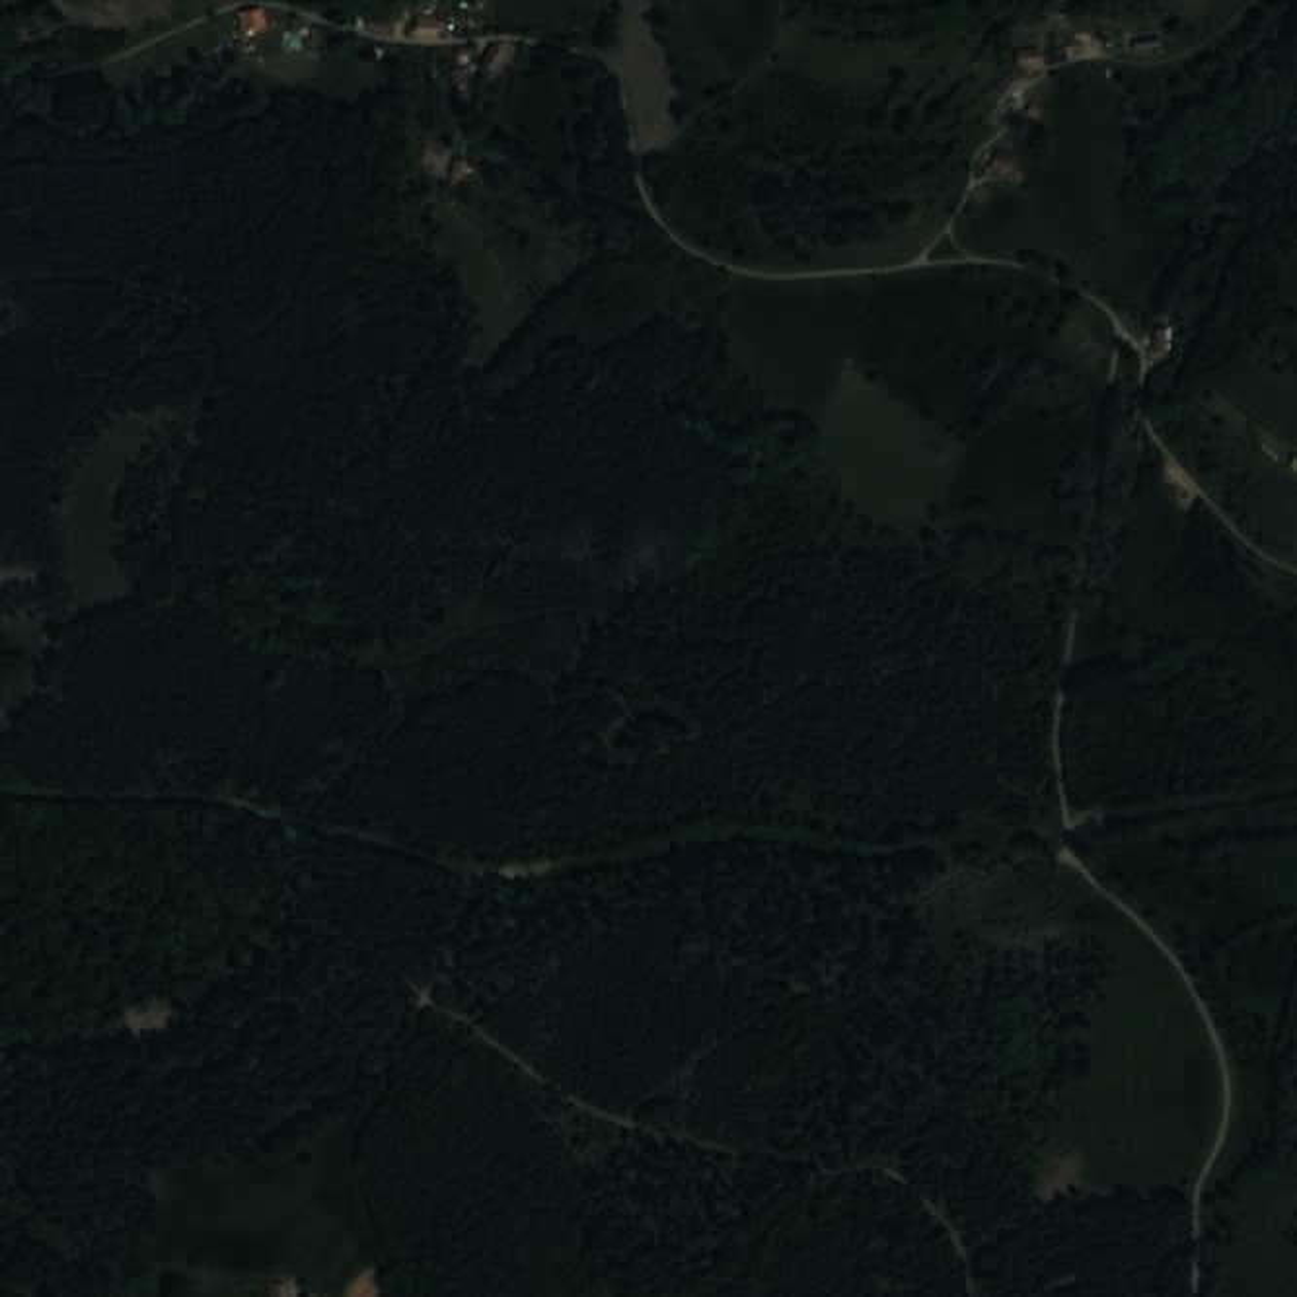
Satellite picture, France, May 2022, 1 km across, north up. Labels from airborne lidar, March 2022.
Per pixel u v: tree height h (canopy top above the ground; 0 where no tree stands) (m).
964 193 0
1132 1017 0
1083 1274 21
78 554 0
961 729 9
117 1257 17
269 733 19
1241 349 6
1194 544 11
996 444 0
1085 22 17
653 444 30
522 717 19
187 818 20
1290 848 18
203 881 13
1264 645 8
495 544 12
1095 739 8
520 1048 10
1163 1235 20
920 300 0
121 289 19
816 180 6
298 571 32
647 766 8
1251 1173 13
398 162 17
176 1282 17
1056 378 19
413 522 27
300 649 17
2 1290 12
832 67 0
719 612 16
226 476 24
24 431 21
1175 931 6
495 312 0
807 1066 9
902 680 8
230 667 20
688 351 28
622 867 7
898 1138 15
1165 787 8
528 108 0
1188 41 12
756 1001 8
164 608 21
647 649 26
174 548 29
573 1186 16
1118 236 0
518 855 14
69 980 17
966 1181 14
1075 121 0
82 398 19
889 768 12
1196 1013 0
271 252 25
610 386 23
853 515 13
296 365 20
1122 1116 0
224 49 0
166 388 21
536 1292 11
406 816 19
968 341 0
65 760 20
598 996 8
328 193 19
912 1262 15
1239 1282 0
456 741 17
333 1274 0
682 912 8
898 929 42
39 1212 25
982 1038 12
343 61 0
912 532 0
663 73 0
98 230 28
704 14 0
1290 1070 22
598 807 9
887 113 7
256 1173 0
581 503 21
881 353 0
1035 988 10
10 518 25
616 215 27
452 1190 10
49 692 17
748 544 12
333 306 20
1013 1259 9
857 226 31
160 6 0
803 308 0
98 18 0
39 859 19
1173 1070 0
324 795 20
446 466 25
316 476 28
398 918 23
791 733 8
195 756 21
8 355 20
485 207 12
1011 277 0
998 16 16
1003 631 11
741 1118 10
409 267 23
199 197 20
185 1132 32
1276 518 0
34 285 29
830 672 10
